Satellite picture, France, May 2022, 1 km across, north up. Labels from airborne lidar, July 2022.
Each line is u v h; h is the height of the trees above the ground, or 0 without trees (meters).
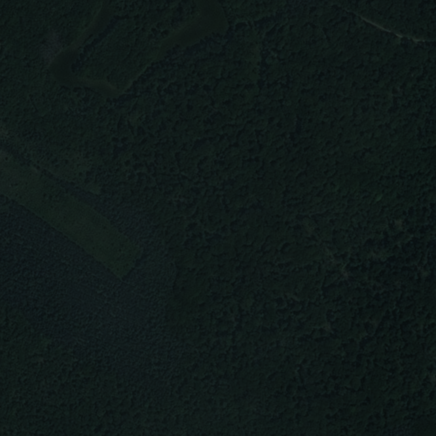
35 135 18
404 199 25
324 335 28
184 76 28
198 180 23
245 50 29
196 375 26
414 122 24
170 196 30
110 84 18
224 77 29
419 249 24
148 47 30
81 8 22
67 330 14
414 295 24
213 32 0
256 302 28
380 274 18
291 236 26
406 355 6
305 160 27
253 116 28
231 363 24
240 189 27
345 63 26
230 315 27
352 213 22
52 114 21
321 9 28
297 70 29
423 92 24
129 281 17
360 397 30
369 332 22
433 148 12
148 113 24
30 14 21
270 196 31
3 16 25
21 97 16
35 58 22
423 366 28
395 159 24
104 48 22
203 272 24
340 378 28
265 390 22
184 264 24
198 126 25
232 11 22
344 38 31
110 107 23
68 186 13
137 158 27
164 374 21
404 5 28
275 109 33
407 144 24
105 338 13
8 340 16
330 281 19
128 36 27
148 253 22
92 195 12
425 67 28
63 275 21
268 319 27
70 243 12
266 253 31
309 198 22
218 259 32
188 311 22
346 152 29
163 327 21
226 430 21
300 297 27
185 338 20
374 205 25
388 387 21
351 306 24
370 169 25
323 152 31
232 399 21
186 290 31
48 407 19
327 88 29
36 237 14
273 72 34
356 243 27
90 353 21
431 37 24
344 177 26
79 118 22
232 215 27
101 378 21
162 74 24
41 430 18
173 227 22
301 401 23
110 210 16
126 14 27
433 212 22
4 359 16
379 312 22
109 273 13
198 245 25
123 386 16
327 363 10
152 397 8
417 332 25
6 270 13
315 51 30
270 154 31
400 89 26
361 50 29
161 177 29
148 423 23
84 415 23
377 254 26
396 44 24
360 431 25
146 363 12
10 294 14
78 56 0
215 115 33
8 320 18
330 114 29
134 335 14
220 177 17
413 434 16
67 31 20
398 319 26
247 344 25
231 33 18
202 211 28
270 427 20
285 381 27
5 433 16
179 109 27
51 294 20
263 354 22
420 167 26
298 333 23
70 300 14
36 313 18
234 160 30
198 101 34
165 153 27
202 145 29
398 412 23
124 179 18
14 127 6
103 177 17
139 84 13
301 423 24
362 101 28
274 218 30
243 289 24
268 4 25
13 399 14
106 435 23
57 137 14
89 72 23
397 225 25
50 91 24
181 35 0
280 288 28
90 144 11
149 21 29
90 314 16
